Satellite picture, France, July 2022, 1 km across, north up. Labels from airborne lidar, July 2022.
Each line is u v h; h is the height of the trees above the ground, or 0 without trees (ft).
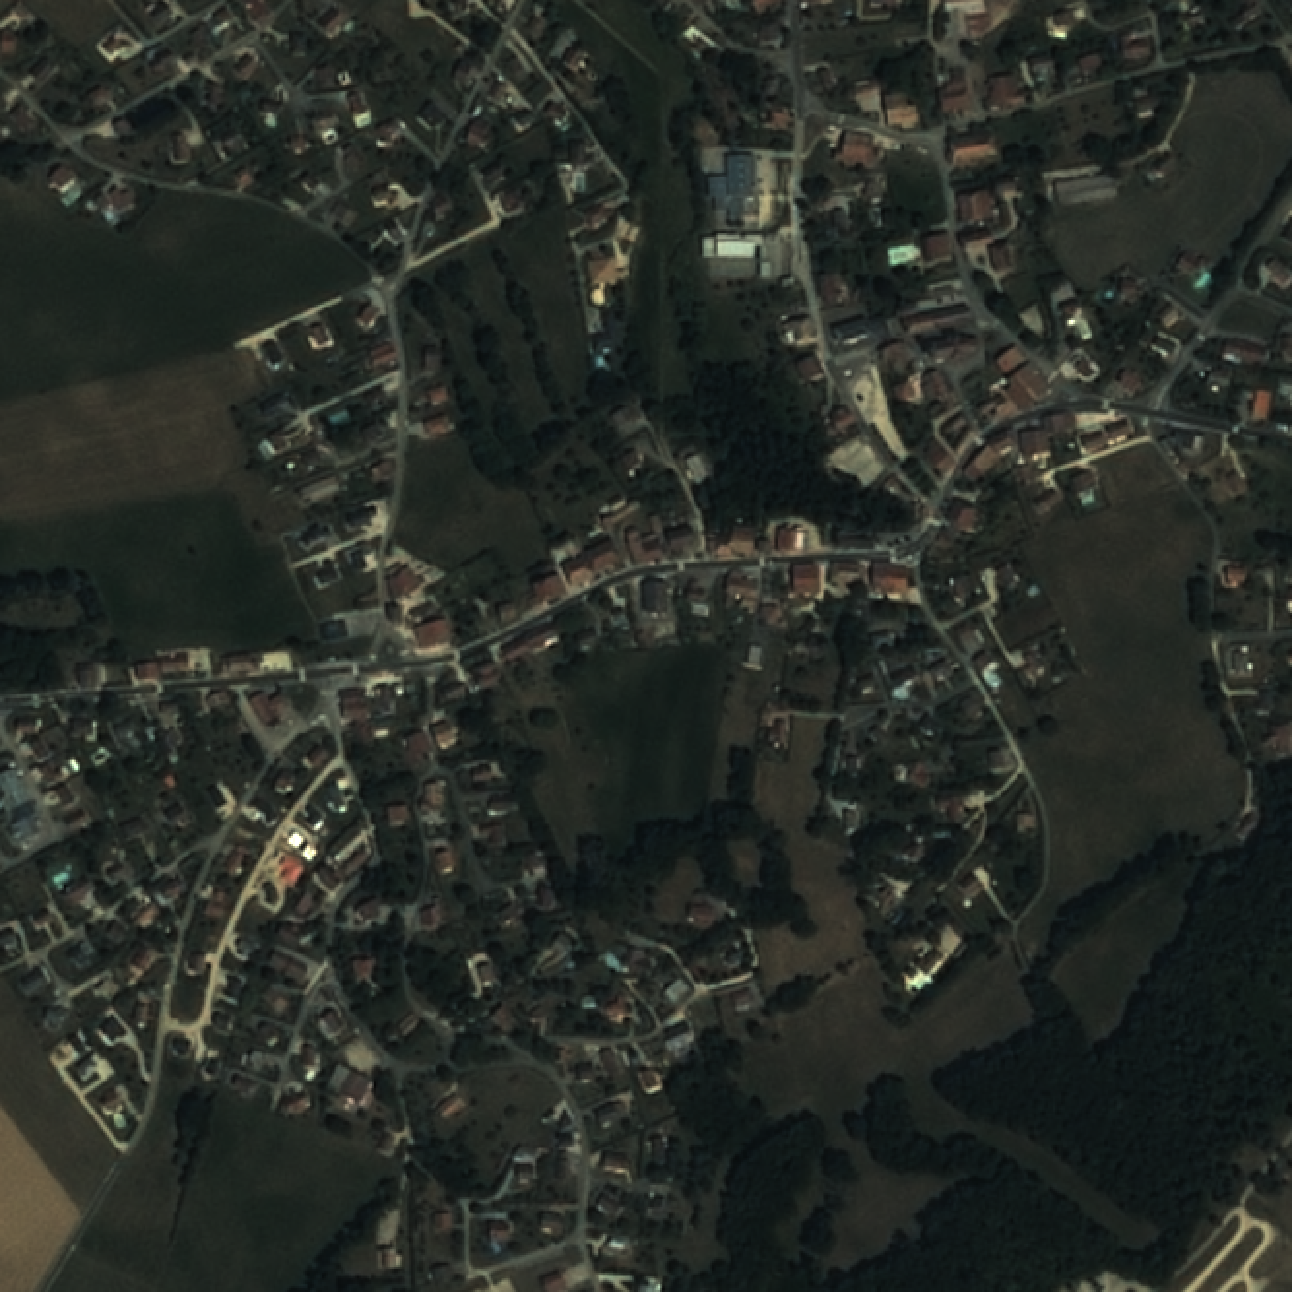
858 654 64
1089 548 0
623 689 0
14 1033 0
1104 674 0
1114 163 23
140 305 0
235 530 0
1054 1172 0
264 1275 0
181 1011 0
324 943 46
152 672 0
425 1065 0
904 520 52
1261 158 0
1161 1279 48
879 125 0
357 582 0
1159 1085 80
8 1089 0
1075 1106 73
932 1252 61
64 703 22
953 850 70
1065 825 0
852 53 0
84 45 0
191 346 0
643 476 40
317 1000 0
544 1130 0
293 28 0
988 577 0
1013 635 0
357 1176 0
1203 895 56
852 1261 0
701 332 47
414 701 23
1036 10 0
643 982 23
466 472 0
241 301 0
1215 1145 66
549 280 0
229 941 0
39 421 0
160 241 0
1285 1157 45
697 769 0
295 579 0
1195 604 40
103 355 0
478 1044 43
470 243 0
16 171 39
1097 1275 34
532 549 0
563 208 0
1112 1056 68
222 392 0
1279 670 0
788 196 0
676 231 0
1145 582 0
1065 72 34
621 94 44
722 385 58
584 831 0
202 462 0
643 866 61
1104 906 64
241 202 0
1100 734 0
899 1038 0
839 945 0
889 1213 0
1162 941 0
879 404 0
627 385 45
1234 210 0
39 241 0
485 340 62
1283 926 45
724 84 60
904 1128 77
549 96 0
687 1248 0
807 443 24
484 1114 0
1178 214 0
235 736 0
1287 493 0
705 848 61
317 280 0
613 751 0
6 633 59
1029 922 0
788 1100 0
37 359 0
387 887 29
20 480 0
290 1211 0
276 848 0
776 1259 61
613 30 0
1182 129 0
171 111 80
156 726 19
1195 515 0
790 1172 78
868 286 63
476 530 0
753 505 30
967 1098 73
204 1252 0
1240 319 0
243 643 0
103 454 0
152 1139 0
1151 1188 73
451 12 23
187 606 0
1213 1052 70
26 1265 0
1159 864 57
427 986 50
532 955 20
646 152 0
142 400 0
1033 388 0
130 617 0
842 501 44
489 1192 28
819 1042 0
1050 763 0
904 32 0
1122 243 0
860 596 49
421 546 0
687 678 0
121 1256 0
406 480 0
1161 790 0
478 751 19
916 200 0
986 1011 0
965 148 0
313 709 0
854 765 0
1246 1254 0
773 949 0
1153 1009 65
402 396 0
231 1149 0
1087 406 0
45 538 0
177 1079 0
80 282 0
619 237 0
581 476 23
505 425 66
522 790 26
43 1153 0
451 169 26
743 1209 53
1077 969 0
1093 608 0
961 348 0
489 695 23
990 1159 73
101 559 0
